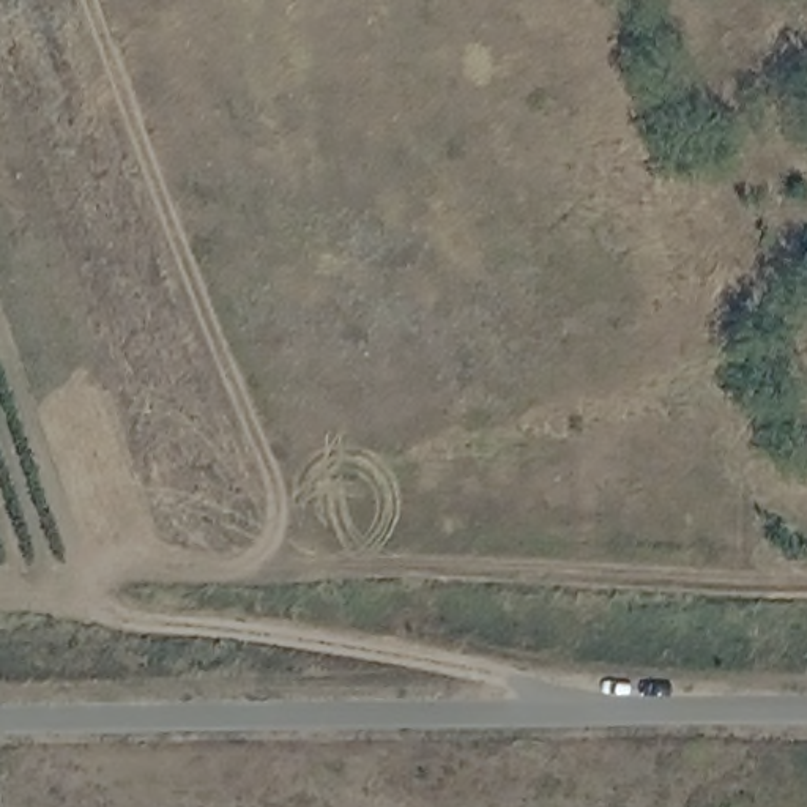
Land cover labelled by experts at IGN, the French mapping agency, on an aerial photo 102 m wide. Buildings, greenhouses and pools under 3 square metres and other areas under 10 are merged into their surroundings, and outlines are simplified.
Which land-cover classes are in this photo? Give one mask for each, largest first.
<instances>
[{"label":"agricultural land","instance_id":"1","mask_svg":"<svg viewBox=\"0 0 807 807\"><path fill-rule=\"evenodd\" d=\"M110 88V82L104 79L79 0H0V454L6 460L35 549L32 561L22 558L0 492V608H28L57 618H73L76 571L63 558H54L47 549L38 511L32 504L19 467V454L6 429V413L16 410L32 448L47 438L41 426L44 397L66 385L76 369H88V381L117 397L120 404V426L126 429L132 473H139L142 479L139 495L145 498L148 517L161 542L186 549L192 555H227L230 549H249L262 533L265 520L262 473L252 454L246 451L240 419L214 369L199 318L189 306L183 277L177 274L173 252L154 221L148 192L132 189L136 180H142V170L129 154V139L120 123L117 104L98 101V91ZM104 19L120 22L113 41L120 44V54L132 76L136 95L145 110V129L158 148L167 183L180 205L183 227L192 240V252L205 274L227 344L243 369L255 410L271 438V451L281 460L284 489L309 479V470L322 460L325 435L347 432L350 444H363L366 451L388 457L410 451V460L419 463V485L400 489V523L385 545L388 552L407 549L426 555H520L571 561L615 558L750 571L753 545L766 539V523L779 517L766 504L753 501L750 492L734 489L722 476V444H712L719 426H703L697 416L687 419L684 400H671L656 388L665 369H675L681 359L690 356H706L712 350L706 328L709 315L722 306V293L738 290V277L753 274L757 265V218L750 205H744L734 195V186L728 189L722 183H706L694 173H646V142L630 123V95L624 88L621 73L612 66L618 19L596 0H101Z\"/></svg>","mask_w":807,"mask_h":807},{"label":"herbaceous vegetation","instance_id":"2","mask_svg":"<svg viewBox=\"0 0 807 807\"><path fill-rule=\"evenodd\" d=\"M668 16L684 28V47L668 54L671 82L684 85L697 107L734 120L731 129L722 132V142L731 145L734 154H719L706 170L694 173L706 183H722L728 189L734 186V195L744 205H750L757 218H763L769 227L807 224V145H794L782 136L779 98L788 95L791 73L807 69V0H668ZM785 277L775 268L757 265L753 274L738 277V290L722 293V306L709 315L706 328L712 350L706 356H690L681 359L675 369H665L656 388L671 400H684L687 419L697 416L703 426H719L712 444H722V476L734 489L750 492L753 501L766 504L779 517L788 533H807V482L785 479L779 467L766 457V451H757L750 444L747 416L731 400V394L722 391L716 381V369L725 366V331H738L744 322V309H753L763 299L766 287L782 284ZM794 404L801 413H807V318L794 331V344H788ZM561 583L539 586L426 580L413 589H407L400 577L306 583H120L117 596L132 599L145 612H243L246 618L262 621L274 618L325 630L404 637L426 646L501 659L517 668L589 671L602 684L634 687L643 694L671 690L684 700H807V599L694 596L690 602H624L608 615L596 612L589 621H583L571 608H552V596ZM293 703H489L482 697V681L454 678L441 671H422L391 662L293 649L274 643H246L230 637L117 630L98 621L73 618H57L28 608H0V709H268ZM716 728L703 731L627 725L438 731L394 728L385 731V738L366 734L350 741H325L322 734L303 741H255L240 738L233 731L211 734L183 725H170L167 731H161L151 741H132L129 734H91L88 741L44 744L32 738H13L9 744H0V807H807V719H716Z\"/></svg>","mask_w":807,"mask_h":807},{"label":"pervious surface","instance_id":"3","mask_svg":"<svg viewBox=\"0 0 807 807\"><path fill-rule=\"evenodd\" d=\"M104 79L110 82V88L98 91V101L117 104L120 123L129 139V154L142 170V180H136L132 189L148 192L154 221L173 252L177 274L183 277L189 306L199 318L214 369L240 419L246 451L252 454L262 473L265 520L262 533L249 549H230L227 555H192L186 549L161 542L148 517L145 498L139 495L142 479L139 473H132L126 429L120 426V404L117 397L88 381V369H76L66 385L44 397L41 426L47 438L32 448L44 498L63 539V558L76 571L73 618L98 621L117 630L230 637L246 643H274L293 649L391 662L422 671H441L454 678L482 681V697L489 703L523 700L539 681L602 697H630L634 687L602 684L589 671L517 668L501 659L426 646L404 637L325 630L274 618L262 621L246 618L243 612H145L132 599L117 596L120 583H306L400 577L407 589H413L426 580L539 586L561 583L552 596V608H571L583 621H589L596 612L608 615L624 602H690L694 596L807 599V555L785 558L782 549H775L766 539L753 545L750 571L615 558L571 561L520 555H426L407 549L388 552L385 545L400 523V489L419 485V463L410 460V451L388 457L366 451L363 444H350L347 432L325 435L322 460L309 470V479L284 489L281 460L271 451V438L255 410L243 369L227 344L205 274L192 252V240L183 227L180 205L167 183L158 148L145 129V110L136 95L132 76L120 54V44L113 41L120 22L104 19L101 0H79ZM91 734H129L132 741H151L161 731L158 725L47 731L0 728V744H9L13 738H32L44 744L88 741Z\"/></svg>","mask_w":807,"mask_h":807},{"label":"deciduous trees","instance_id":"4","mask_svg":"<svg viewBox=\"0 0 807 807\"><path fill-rule=\"evenodd\" d=\"M618 19L612 66L621 73L624 88L630 95V123L646 142V173H694L706 170L719 154H734L731 145L722 142V132L731 129L734 120L697 107L684 85L671 82L668 54L684 47V28L668 16V0H596ZM782 136L794 145H807V69L791 73L788 95L779 98ZM757 265L775 268L785 277L782 284L766 287L763 299L753 309H744V322L738 331H725V366L716 369V381L722 391L731 394V400L747 416L750 444L757 451H766V457L779 467L785 479L807 482V413H801L794 404L788 344H794V331L807 318V224L769 227L763 218H757ZM6 429L19 454V467L32 504L38 511L47 549L54 558H63V539L44 498L32 448L16 410L6 413ZM0 492L22 558L32 561L35 549L6 460L0 454ZM766 539L775 549H782L785 558L807 555V533H788L779 517L766 523Z\"/></svg>","mask_w":807,"mask_h":807},{"label":"impervious surface","instance_id":"5","mask_svg":"<svg viewBox=\"0 0 807 807\"><path fill-rule=\"evenodd\" d=\"M716 719H807V700H684L671 690L643 694L634 687L630 697H602L539 681L523 700L489 703H293L268 709H0V728L47 731L158 725L161 731H167L170 725H183L211 734L233 731L240 738L255 741H303L322 734L325 741H350L366 734L385 738V731L394 728L438 731L627 725L703 731L716 728Z\"/></svg>","mask_w":807,"mask_h":807}]
</instances>
